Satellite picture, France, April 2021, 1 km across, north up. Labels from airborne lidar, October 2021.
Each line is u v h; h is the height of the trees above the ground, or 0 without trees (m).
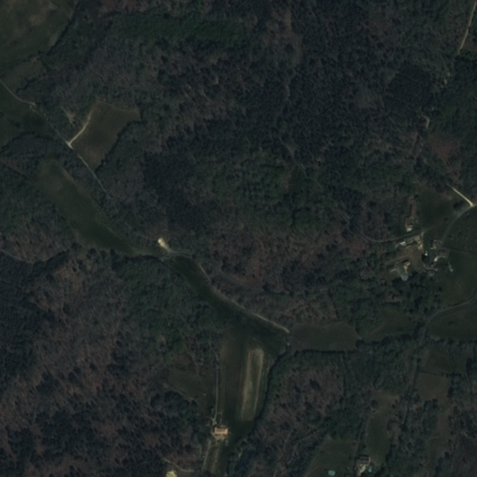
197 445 18
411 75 12
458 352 9
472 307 0
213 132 25
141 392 6
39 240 20
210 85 26
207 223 15
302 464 11
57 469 11
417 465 20
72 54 7
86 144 0
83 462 13
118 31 14
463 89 24
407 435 32
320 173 12
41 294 12
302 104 16
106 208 21
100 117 0
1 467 15
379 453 0
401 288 24
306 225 18
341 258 15
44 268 16
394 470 14
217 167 21
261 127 21
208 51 26
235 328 0
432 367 0
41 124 0
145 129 16
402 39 9
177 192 16
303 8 10
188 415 18
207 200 10
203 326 21
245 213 18
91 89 20
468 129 14
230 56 27
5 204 26
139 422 18
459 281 0
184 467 11
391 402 0
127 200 11
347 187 17
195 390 0
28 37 0
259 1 19
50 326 25
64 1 0
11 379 8
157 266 26
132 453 18
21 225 16
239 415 0
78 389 20
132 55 15
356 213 18
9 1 0
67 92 20
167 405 18
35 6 0
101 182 11
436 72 17
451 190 18
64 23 0
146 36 18
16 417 6
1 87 0
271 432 10
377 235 6
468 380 13
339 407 7
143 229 13
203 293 0
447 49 9
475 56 6
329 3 22
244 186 7
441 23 12
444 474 19
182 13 19
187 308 24
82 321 16
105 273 19
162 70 7
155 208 11
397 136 13
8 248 21
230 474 17
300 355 13
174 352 15
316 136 12
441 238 0
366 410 9
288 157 20
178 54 19
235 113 14
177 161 17
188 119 14
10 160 19
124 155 13
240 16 23
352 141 14
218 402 0
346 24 14
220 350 12
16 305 15
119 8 12
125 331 20
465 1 10
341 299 26
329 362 15
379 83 19
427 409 15
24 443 14
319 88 13
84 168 22
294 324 16
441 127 11
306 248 13
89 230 0
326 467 0
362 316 27
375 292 21
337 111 17
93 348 20
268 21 22
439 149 14
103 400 15
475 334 0
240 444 0
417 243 8
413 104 9
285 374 13
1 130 0
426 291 18
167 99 16
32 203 19
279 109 23
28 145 18
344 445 0
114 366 9
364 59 23
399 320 0
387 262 9
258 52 18
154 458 20
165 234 11
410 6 15
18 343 9
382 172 17
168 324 17
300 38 20
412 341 23
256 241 20
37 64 0
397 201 16
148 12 11
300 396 22
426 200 0
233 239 8
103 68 19
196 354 8
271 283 6
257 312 14
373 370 16
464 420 9
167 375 0
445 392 0
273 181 21
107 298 12
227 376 0
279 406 7
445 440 0
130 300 14
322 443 10
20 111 0
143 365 12
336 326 0
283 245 20
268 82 16
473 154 12
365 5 17
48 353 22
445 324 0
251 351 0
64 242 24
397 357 13
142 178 7
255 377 0
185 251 13
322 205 21
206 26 21
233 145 14
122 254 0
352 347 0
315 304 16
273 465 15
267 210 14
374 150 15
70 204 0
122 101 21
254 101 24
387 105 12
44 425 14
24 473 15
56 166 0
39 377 19
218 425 0
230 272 21
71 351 16
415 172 11
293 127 22
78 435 13
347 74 19
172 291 18
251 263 10
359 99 8
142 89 18
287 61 18
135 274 22
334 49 23
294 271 11
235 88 24
